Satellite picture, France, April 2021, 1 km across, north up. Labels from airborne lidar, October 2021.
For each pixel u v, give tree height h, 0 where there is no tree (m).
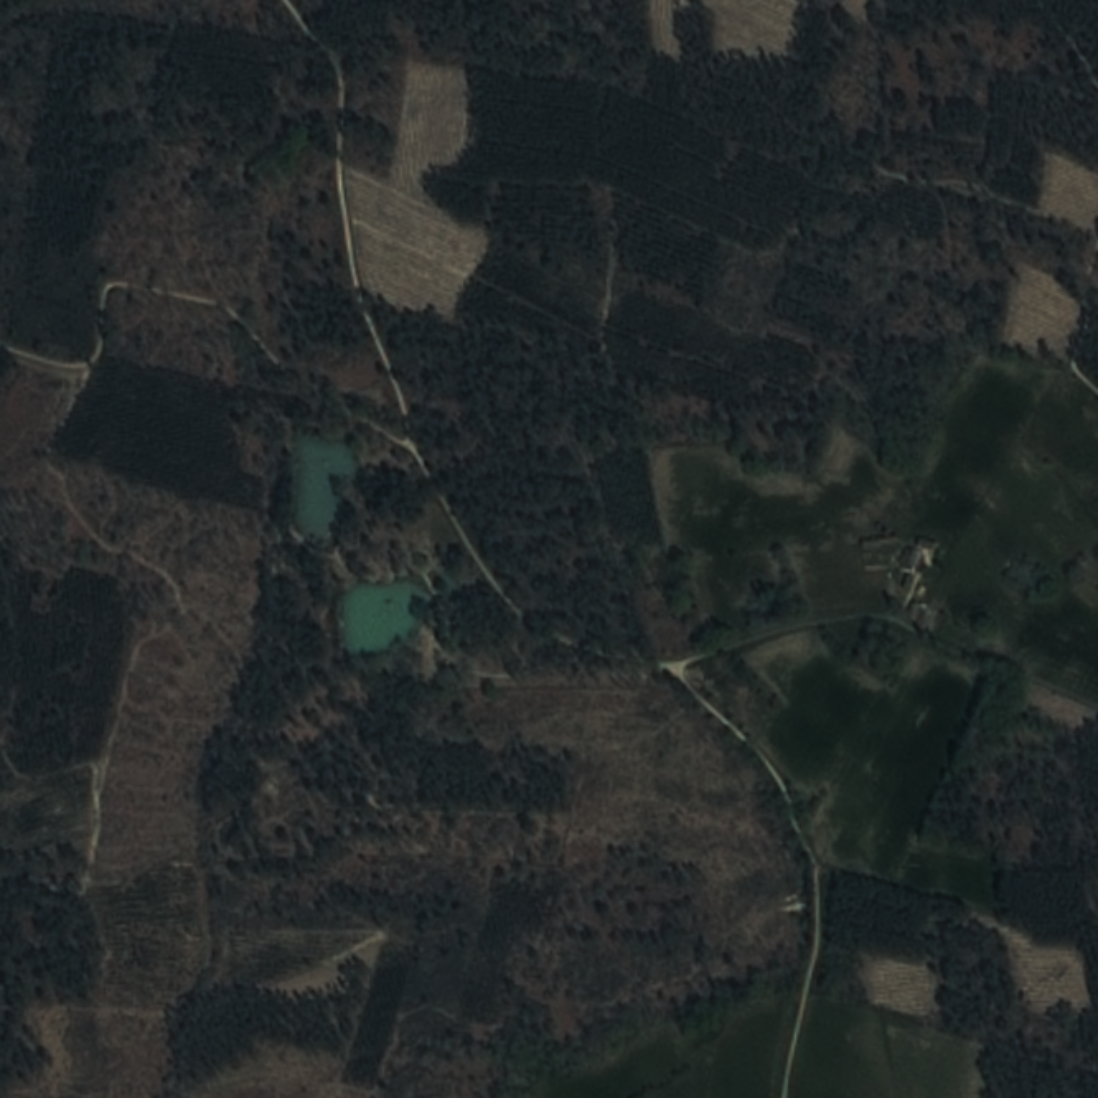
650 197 17
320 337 10
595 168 16
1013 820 21
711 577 0
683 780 0
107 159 15
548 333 8
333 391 19
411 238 0
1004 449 0
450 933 17
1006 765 8
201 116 24
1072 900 18
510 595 12
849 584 0
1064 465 0
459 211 16
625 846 0
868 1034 0
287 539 11
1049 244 19
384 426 12
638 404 10
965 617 0
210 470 9
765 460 18
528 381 19
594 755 0
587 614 19
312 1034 17
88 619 8
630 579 17
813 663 0
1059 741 13
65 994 20
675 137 17
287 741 9
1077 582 17
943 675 0
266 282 13
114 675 6
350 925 6
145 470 10
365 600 0
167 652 0
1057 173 0
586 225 10
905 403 24
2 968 23
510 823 7
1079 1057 12
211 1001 0
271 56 12
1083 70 24
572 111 17
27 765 9
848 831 0
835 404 18
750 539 0
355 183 0
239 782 18
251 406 8
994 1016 18
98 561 16
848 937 18
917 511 0
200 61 17
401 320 18
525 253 14
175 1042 9
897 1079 0
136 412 9
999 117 14
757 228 14
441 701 16
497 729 16
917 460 24
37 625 9
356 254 0
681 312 8
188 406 9
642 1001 11
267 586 6
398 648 7
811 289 12
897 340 8
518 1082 14
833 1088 0
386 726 7
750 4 0
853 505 0
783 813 13
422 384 7
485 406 19
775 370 8
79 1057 0
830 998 11
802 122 23
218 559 8
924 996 0
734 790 0
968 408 0
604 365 22
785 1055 0
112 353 6
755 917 0
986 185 19
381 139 19
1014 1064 21
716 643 23
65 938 22
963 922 15
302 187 8
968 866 0
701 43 21
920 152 9
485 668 12
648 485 15
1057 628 0
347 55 20
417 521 0
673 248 13
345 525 0
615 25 14
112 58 23
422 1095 8
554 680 0
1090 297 14
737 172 12
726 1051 0
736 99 19
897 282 6
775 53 0
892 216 9
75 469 10
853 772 0
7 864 18
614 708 0
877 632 18
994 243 7
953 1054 0
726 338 7
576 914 14
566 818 18
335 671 11
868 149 19
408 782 11
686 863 0
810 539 0
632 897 12
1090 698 0
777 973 13
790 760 0
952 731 0
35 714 11
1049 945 14
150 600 11
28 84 21
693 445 8
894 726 0
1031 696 12
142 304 11
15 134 9
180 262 18
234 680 6
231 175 7
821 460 14
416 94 0
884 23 21
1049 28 24
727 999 14
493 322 10
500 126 17
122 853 0
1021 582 7
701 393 10
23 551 10
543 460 10
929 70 15
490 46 21
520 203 12
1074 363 17
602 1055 12
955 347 14
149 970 6
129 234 10
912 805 0
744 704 0
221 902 16
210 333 11
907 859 0
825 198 11
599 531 21
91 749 6
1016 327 0
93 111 8
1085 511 0
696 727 0
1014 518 0
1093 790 20
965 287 10
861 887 14
